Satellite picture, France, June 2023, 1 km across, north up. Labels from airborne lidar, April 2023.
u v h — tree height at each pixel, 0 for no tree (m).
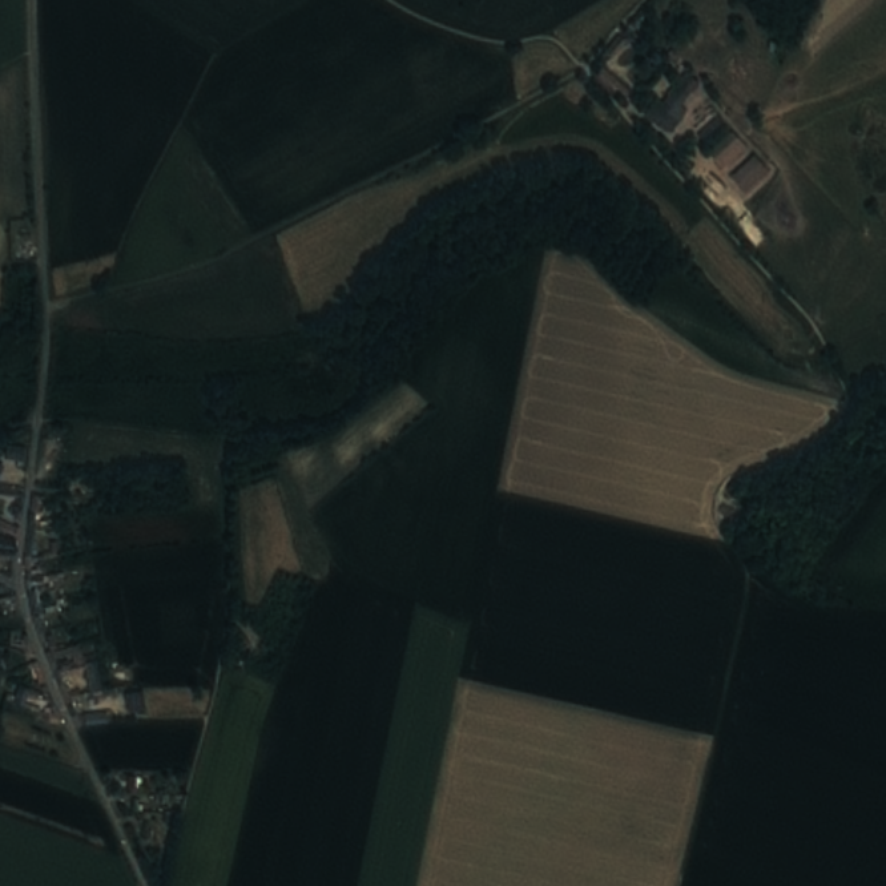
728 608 0
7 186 0
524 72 0
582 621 0
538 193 23
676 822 0
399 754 0
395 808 0
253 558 0
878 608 0
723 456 0
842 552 0
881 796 0
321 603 0
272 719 0
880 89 0
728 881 0
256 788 0
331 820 0
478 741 0
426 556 0
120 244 0
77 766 0
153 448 0
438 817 0
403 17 0
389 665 0
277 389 0
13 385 0
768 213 0
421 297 32
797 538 14
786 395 0
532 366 0
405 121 0
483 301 0
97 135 0
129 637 0
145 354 0
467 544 0
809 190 0
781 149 0
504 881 0
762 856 0
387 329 14
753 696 0
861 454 21
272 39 0
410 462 0
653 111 0
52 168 0
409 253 35
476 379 0
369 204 0
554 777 0
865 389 21
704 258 0
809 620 0
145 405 0
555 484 0
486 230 29
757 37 0
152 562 0
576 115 0
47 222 0
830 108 0
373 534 0
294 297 0
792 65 0
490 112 0
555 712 0
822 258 0
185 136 0
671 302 0
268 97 0
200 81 0
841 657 0
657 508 0
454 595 0
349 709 0
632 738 0
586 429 0
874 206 14
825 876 0
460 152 13
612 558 0
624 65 0
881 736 0
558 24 0
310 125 0
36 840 0
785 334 0
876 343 0
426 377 0
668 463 0
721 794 0
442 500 0
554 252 0
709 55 0
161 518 0
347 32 0
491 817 0
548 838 0
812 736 0
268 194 0
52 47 0
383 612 0
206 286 0
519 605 0
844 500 21
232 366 0
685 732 0
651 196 0
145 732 0
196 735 0
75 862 0
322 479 0
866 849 0
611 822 0
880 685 0
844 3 0
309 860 0
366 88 0
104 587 0
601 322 0
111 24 0
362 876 0
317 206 0
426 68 0
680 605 0
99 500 11
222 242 0
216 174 0
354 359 19
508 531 0
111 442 0
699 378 0
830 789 0
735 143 0
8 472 0
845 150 0
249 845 0
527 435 0
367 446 0
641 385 0
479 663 0
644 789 0
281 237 0
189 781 0
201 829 0
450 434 0
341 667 0
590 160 21
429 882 0
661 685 0
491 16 0
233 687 0
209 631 0
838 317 0
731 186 0
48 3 0
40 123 0
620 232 22
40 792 0
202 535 0
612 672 0
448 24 0
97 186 0
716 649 0
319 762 0
